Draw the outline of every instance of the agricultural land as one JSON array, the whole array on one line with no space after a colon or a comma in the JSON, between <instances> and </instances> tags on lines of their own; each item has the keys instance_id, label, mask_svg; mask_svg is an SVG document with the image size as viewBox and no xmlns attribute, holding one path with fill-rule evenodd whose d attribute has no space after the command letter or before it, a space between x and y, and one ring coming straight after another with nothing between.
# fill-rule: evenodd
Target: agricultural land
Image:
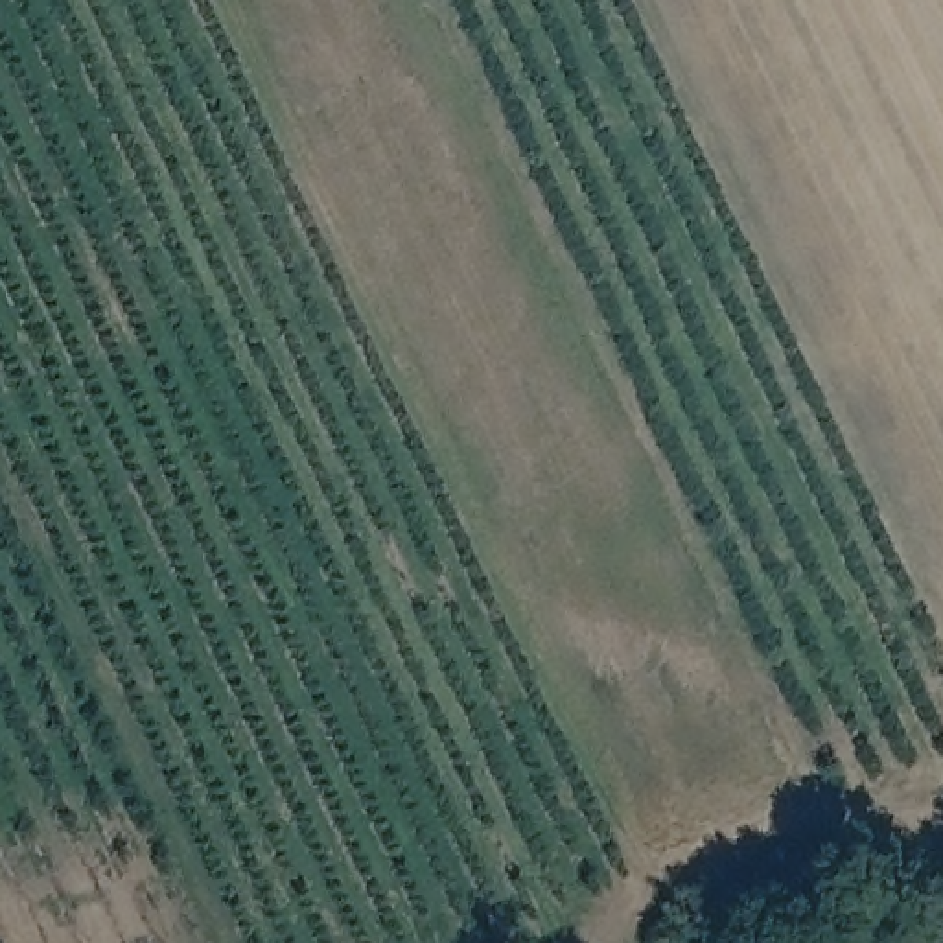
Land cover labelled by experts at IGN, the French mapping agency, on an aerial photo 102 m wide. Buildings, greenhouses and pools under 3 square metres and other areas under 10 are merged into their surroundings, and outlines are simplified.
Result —
<instances>
[{"instance_id":1,"label":"agricultural land","mask_svg":"<svg viewBox=\"0 0 943 943\"><path fill-rule=\"evenodd\" d=\"M781 306L781 317L788 320L799 354L810 376L818 379L825 405L844 435L844 446L873 494L877 516L895 545L895 556L914 582L914 597L928 608L936 637L943 641L943 0L634 0L648 44L656 48L674 85L674 96L685 111L693 140L700 144L737 228L755 250L759 269Z\"/></svg>"},{"instance_id":2,"label":"agricultural land","mask_svg":"<svg viewBox=\"0 0 943 943\"><path fill-rule=\"evenodd\" d=\"M888 737L877 726L866 737L880 759L880 774L866 774L855 755L847 726L836 715L821 722L821 729L807 733L785 704L777 681L770 678L763 656L751 645L751 634L740 619L722 564L715 560L663 449L656 446L645 424L634 379L626 376L615 354L615 343L608 339L608 324L593 302L593 291L586 287L586 276L575 265L571 250L564 247L538 184L530 180L527 158L501 114L490 77L483 74L483 63L468 33L460 29L460 18L449 0L0 0L0 943L637 943L652 939L667 902L681 888L700 888L700 914L707 917L707 928L726 932L729 910L740 906L740 899L755 888L770 880L785 884L807 862L818 858L825 844L855 847L851 832L844 829L844 814L866 821L877 836L902 840L906 858L943 862L943 751L932 748L932 733L910 704L899 711L899 726L914 744L917 763L899 763ZM847 788L814 777L814 751L821 744L836 751ZM133 770L140 796L151 799L155 818L144 829L122 807L114 785L114 770L122 766Z\"/></svg>"}]
</instances>

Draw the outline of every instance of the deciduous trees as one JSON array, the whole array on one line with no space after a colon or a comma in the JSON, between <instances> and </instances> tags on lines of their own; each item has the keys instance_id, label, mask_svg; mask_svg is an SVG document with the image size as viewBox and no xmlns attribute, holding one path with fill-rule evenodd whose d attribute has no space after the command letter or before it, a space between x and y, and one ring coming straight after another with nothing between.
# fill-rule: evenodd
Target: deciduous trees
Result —
<instances>
[{"instance_id":1,"label":"deciduous trees","mask_svg":"<svg viewBox=\"0 0 943 943\"><path fill-rule=\"evenodd\" d=\"M821 744L814 751L814 777L847 788L836 751Z\"/></svg>"},{"instance_id":2,"label":"deciduous trees","mask_svg":"<svg viewBox=\"0 0 943 943\"><path fill-rule=\"evenodd\" d=\"M707 917L700 914L700 888L681 888L667 902L652 939L637 943L943 943L943 862L906 858L902 840L877 836L866 821L844 814L844 829L851 832L855 847L825 844L818 858L807 862L785 884L770 880L755 888L740 899L740 906L729 910L726 932L707 928Z\"/></svg>"},{"instance_id":3,"label":"deciduous trees","mask_svg":"<svg viewBox=\"0 0 943 943\"><path fill-rule=\"evenodd\" d=\"M155 818L151 799L140 796L133 770L122 766L114 770L114 785L122 807L144 829Z\"/></svg>"},{"instance_id":4,"label":"deciduous trees","mask_svg":"<svg viewBox=\"0 0 943 943\"><path fill-rule=\"evenodd\" d=\"M880 759L866 737L877 726L888 737L899 763L917 763L914 744L899 726L899 711L910 704L932 733L932 748L943 751L943 641L936 637L928 608L914 597L914 582L895 556L895 545L877 516L873 494L844 446L844 435L825 405L818 379L810 376L799 354L788 320L781 317L781 306L759 269L755 250L737 228L700 144L693 140L685 111L674 96L674 85L656 48L648 44L634 0L449 0L460 18L460 29L468 33L483 63L483 74L490 77L501 114L527 158L530 180L538 184L564 247L571 250L575 265L586 276L586 287L593 291L593 302L608 324L608 339L615 343L615 354L626 376L634 379L645 424L656 446L663 449L715 560L722 564L740 619L751 634L751 645L763 656L770 678L777 681L785 704L807 733L821 729L821 722L836 715L847 726L855 755L866 774L880 774Z\"/></svg>"}]
</instances>

